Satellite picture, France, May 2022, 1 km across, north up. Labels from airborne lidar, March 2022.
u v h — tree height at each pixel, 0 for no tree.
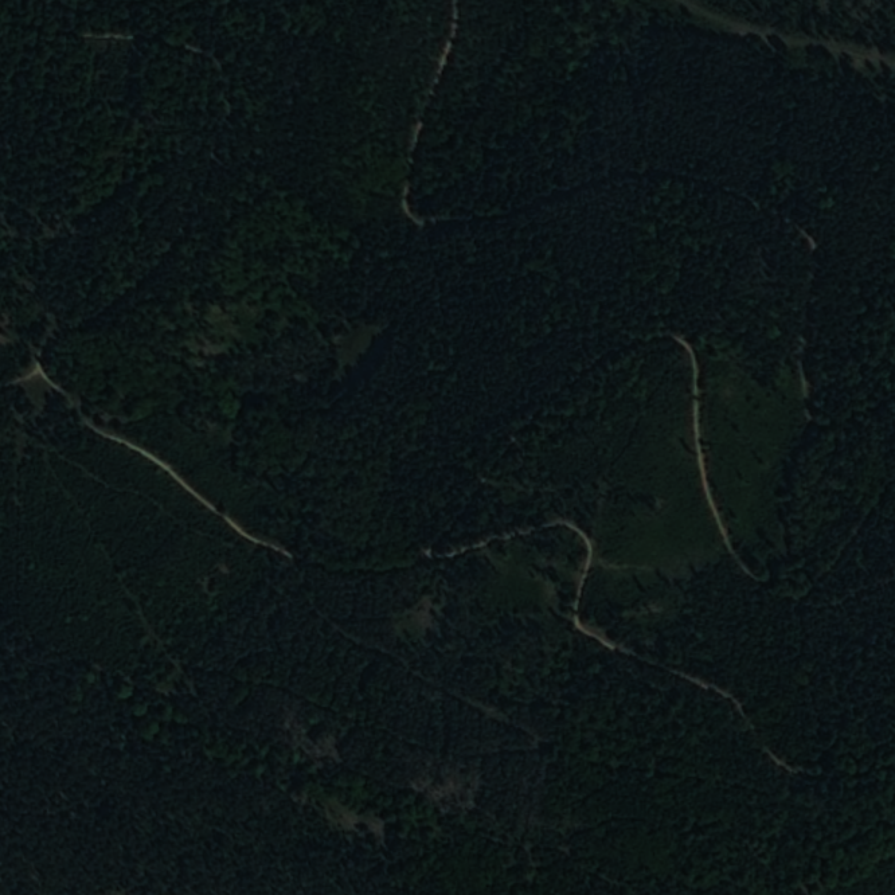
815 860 19
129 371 26
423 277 27
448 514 26
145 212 21
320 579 25
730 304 29
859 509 25
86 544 6
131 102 18
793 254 25
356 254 26
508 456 19
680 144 24
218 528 6
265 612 21
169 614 6
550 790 20
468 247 25
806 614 19
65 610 8
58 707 29
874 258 25
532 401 24
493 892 13
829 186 28
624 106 24
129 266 28
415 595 9
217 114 23
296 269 28
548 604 0
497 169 32
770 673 11
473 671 20
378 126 8
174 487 7
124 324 24
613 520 6
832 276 29
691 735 10
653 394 6
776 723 15
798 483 25
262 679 19
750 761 15
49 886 29
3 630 12
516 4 16
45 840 32
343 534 26
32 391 0
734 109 24
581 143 13
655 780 11
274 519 26
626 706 16
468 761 24
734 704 12
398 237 27
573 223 24
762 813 26
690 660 8
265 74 19
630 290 24
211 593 11
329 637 17
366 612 27
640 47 9
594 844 17
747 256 24
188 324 31
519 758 18
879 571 21
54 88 26
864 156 21
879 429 24
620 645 12
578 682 15
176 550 13
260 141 16
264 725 22
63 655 10
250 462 15
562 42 22
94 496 7
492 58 12
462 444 23
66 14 28
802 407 9
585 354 25
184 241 22
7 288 14
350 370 0
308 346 36
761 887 13
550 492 29
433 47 12
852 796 21
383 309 29
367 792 19
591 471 8
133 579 8
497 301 22
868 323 23
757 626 20
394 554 24
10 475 7
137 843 29
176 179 26
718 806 17
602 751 15
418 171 19
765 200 23
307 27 24
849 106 28
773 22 29
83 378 23
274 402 30
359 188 20
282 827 10
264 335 28
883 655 21
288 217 26
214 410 28
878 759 18
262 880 29
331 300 21
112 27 22
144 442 9
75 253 21
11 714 26
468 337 23
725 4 15
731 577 15
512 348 25
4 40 22
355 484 27
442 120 16
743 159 24
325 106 19
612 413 10
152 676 10
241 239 22
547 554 33
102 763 30
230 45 24
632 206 27
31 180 21
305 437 27
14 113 25
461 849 11
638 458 6
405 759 25
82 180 22
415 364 27
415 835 8
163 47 22
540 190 30
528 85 26
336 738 20
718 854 24
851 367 28
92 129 23
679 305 31
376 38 12
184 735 11
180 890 36
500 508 29
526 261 27
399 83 14
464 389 22
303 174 14
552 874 15
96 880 31
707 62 21
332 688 24
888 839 31
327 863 27
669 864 16
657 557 0
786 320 23
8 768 29
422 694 18
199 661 15
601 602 7
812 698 16
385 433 25
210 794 26
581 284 26
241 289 26
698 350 26
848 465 26
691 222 22
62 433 9
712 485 7
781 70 33
